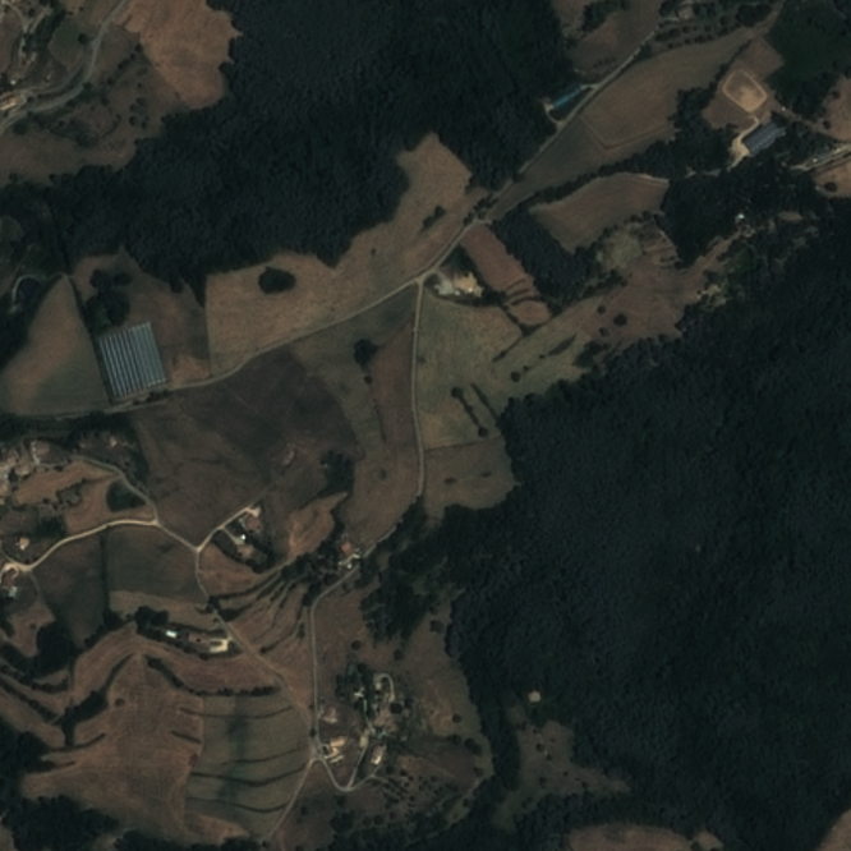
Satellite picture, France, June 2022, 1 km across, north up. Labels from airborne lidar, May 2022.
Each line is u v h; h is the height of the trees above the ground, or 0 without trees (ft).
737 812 53
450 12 65
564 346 0
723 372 27
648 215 35
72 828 61
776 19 0
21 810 77
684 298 0
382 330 0
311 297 0
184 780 0
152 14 0
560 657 83
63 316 0
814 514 69
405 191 29
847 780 48
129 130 0
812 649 73
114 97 0
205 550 0
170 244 80
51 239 52
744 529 81
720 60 0
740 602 62
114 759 0
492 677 53
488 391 0
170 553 0
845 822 0
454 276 0
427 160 0
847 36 60
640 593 52
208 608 25
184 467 0
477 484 0
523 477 46
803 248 25
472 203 0
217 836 0
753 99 0
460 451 0
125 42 0
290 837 0
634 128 0
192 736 0
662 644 67
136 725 0
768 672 52
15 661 31
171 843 57
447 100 33
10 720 0
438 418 0
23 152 0
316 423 0
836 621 63
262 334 0
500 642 30
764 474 62
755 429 67
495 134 21
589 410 51
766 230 22
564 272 56
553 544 65
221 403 0
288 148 81
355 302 0
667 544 56
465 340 0
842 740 58
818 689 51
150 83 0
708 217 52
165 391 26
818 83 48
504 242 52
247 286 0
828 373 78
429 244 0
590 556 85
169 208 58
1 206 49
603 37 0
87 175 73
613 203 0
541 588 71
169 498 0
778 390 58
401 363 0
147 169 74
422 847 78
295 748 0
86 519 0
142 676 0
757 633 40
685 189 44
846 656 56
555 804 25
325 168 49
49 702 0
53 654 34
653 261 0
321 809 0
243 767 0
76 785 0
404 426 0
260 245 70
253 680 0
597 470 55
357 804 0
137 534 0
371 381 29
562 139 0
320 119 68
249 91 69
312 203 82
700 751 39
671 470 67
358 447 0
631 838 0
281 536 0
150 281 0
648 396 57
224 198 72
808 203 52
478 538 44
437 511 0
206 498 0
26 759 64
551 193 33
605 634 53
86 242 50
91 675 0
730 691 19
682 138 22
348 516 0
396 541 31
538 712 56
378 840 30
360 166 60
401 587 48
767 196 51
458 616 84
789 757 52
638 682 70
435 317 0
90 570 0
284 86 74
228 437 0
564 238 0
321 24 58
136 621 26
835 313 58
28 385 0
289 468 0
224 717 0
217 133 41
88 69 0
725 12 33
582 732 44
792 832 41
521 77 41
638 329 0
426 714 0
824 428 42
